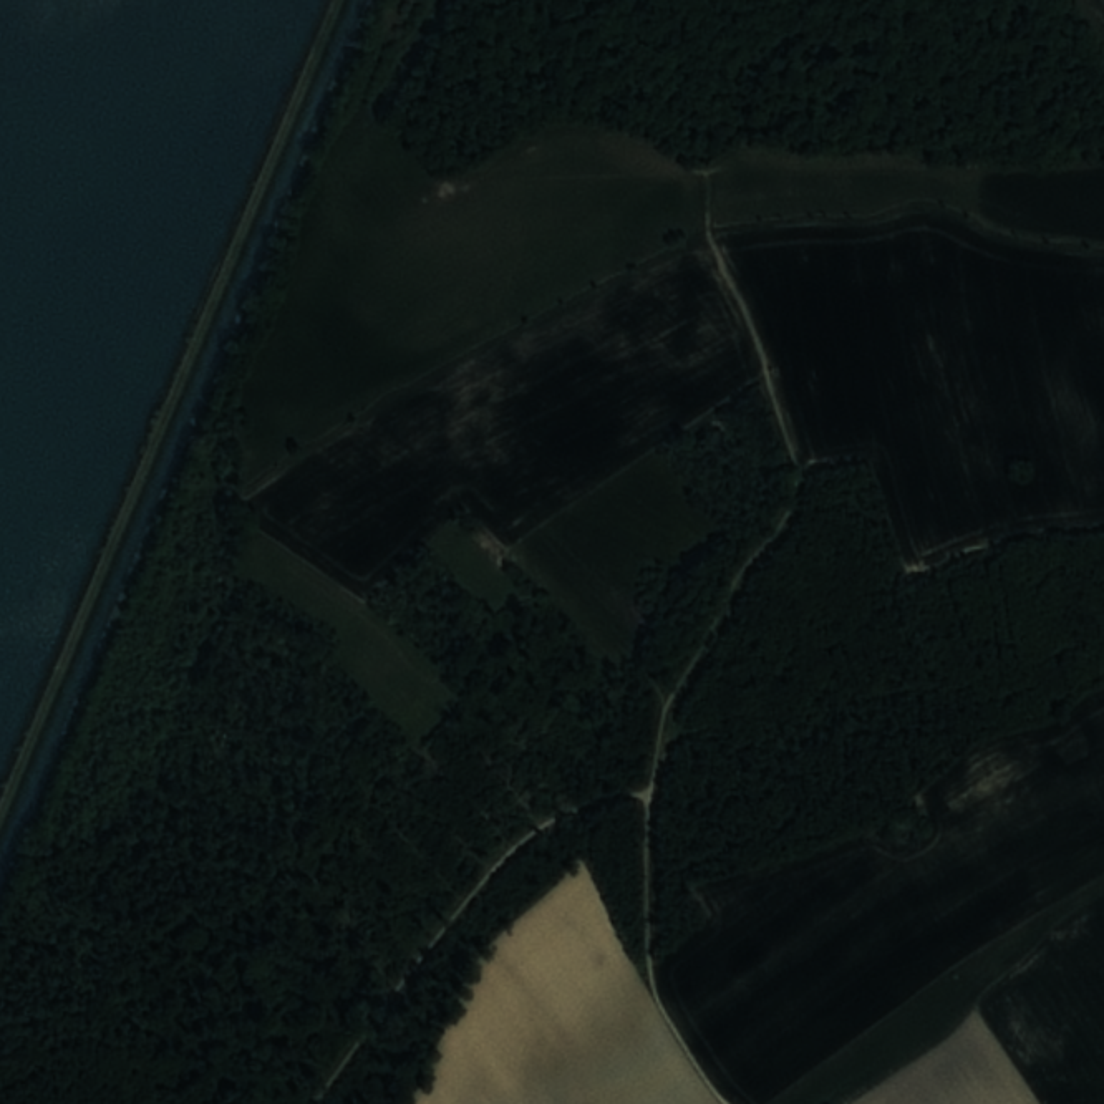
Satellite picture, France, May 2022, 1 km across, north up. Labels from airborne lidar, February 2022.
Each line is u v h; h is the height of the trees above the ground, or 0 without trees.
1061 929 0
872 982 0
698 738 13
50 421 0
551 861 21
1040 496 0
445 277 0
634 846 17
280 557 0
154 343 0
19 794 0
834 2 24
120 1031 23
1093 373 0
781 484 24
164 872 25
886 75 25
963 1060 0
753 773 22
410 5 6
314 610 0
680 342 0
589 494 0
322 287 0
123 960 24
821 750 16
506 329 0
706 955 0
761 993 0
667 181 0
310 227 0
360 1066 6
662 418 0
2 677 0
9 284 0
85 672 0
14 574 0
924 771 15
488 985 0
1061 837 0
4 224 0
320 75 0
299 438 0
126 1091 18
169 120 0
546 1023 0
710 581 23
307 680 24
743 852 17
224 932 31
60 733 0
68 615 0
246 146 0
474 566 0
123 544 0
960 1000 0
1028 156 24
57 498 0
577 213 0
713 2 25
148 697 16
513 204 0
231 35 0
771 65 28
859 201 0
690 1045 0
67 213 0
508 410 0
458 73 25
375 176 0
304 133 0
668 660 18
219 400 18
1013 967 0
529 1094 0
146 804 24
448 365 0
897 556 15
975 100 22
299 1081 30
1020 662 12
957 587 14
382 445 0
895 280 0
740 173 0
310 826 26
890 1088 0
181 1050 24
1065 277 0
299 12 0
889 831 17
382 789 28
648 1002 0
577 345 0
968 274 0
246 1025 25
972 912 0
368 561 0
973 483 0
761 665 9
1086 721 0
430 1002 7
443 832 12
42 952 20
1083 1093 0
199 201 0
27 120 0
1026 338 0
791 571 14
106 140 0
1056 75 21
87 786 18
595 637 0
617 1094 0
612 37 24
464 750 14
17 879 25
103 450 0
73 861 7
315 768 25
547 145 0
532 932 0
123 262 0
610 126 19
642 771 16
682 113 18
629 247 0
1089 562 14
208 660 21
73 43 0
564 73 26
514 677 20
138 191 0
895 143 21
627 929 16
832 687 9
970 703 14
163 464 0
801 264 0
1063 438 0
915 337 0
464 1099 0
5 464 0
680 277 0
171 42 0
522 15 25
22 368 0
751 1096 0
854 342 0
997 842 0
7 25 0
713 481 22
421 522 0
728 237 0
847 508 13
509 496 0
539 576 0
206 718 8
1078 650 11
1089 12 0
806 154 22
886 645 13
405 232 0
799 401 0
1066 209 0
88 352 0
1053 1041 0
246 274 0
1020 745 0
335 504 0
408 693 0
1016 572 13
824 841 15
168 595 6
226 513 22
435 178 13
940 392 0
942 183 0
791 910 0
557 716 27
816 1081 0
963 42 22
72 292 0
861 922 0
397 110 24
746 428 16
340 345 0
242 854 18
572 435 0
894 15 26
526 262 0
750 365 0
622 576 0
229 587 13
